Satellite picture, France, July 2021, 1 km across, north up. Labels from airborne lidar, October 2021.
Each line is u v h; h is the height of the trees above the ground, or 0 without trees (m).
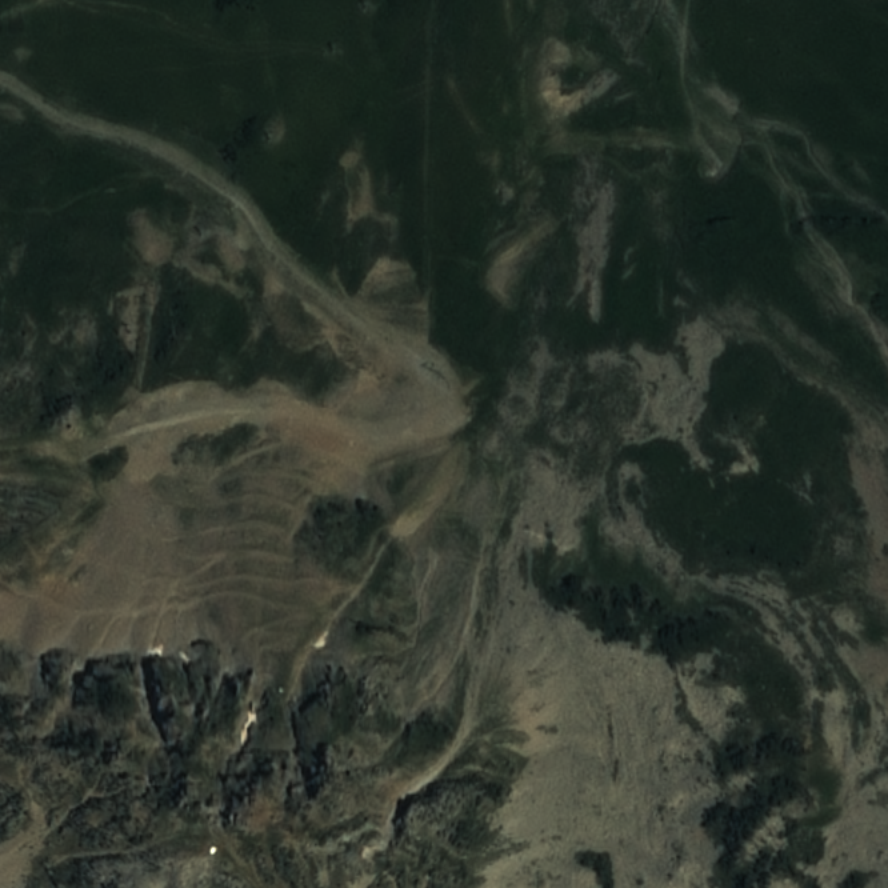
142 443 0
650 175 0
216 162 0
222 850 0
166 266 0
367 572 0
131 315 0
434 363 0
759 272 0
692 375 0
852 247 0
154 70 0
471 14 0
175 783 0
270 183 0
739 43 0
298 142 0
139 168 0
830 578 0
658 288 0
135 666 0
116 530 0
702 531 0
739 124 0
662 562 0
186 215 0
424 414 0
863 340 0
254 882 0
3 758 0
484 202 0
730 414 0
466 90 0
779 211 0
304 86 0
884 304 0
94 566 0
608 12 0
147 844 0
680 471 0
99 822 0
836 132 0
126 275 0
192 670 0
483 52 0
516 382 0
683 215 0
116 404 0
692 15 0
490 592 0
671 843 0
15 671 0
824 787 0
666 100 0
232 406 0
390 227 0
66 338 0
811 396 0
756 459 0
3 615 0
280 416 0
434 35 0
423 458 0
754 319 0
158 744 0
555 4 0
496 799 8
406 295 0
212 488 0
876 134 0
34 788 0
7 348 0
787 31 0
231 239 0
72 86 0
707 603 0
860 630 0
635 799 0
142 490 0
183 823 0
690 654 0
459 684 0
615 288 0
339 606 0
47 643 0
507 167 0
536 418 0
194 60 0
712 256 0
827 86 0
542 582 0
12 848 0
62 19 0
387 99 0
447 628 0
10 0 0
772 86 0
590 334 0
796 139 0
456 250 0
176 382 0
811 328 0
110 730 0
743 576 0
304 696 0
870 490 0
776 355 0
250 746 0
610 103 0
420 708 0
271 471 0
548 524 0
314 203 0
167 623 0
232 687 0
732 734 0
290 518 0
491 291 0
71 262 0
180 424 0
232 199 0
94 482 0
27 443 0
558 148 0
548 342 0
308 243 0
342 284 0
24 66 0
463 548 0
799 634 0
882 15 0
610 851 0
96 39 0
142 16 0
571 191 0
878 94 0
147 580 0
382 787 0
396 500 0
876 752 0
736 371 0
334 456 0
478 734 0
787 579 0
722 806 9
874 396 0
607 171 0
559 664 0
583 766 0
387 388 0
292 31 0
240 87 0
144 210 0
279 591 0
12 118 0
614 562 0
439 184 0
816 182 0
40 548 0
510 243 0
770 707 0
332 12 0
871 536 0
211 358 0
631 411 0
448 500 0
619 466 0
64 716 0
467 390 0
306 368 0
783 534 0
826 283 0
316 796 0
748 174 0
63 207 0
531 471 0
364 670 0
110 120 0
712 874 0
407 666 0
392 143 0
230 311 0
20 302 0
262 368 0
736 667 0
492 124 0
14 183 0
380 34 0
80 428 0
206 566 0
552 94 0
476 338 0
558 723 0
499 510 0
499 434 0
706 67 0
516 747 0
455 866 0
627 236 0
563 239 0
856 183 0
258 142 0
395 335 0
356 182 0
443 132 0
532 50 0
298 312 0
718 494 0
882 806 0
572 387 0
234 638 0
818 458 0
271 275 0
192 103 0
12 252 0
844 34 0
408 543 0
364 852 0
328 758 0
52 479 0
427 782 0
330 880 0
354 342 0
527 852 0
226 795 0
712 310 0
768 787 0
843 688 0
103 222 0
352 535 0
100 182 0
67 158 0
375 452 0
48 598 0
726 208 0
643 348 0
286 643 0
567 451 0
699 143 0
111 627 0
